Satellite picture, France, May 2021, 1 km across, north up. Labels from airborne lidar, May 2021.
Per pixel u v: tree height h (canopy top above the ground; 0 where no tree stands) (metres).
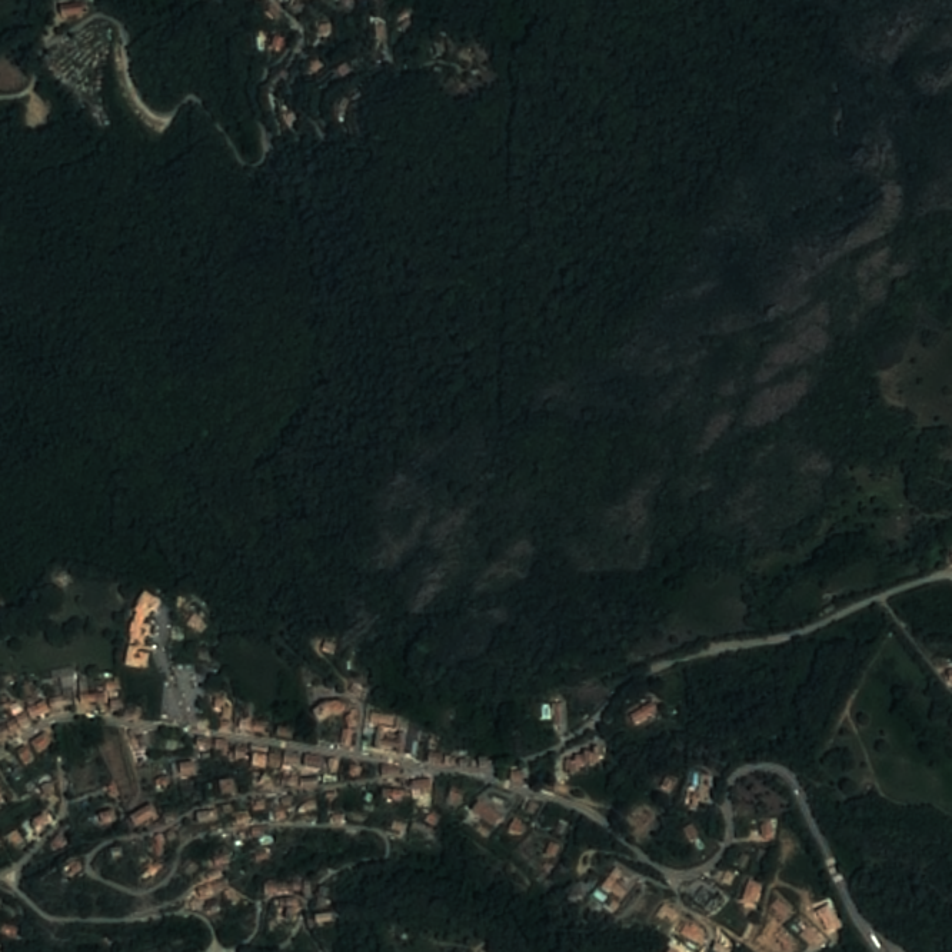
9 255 13
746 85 10
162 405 7
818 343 0
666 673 0
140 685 0
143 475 14
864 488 11
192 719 0
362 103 7
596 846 8
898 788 0
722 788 13
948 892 6
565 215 13
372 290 9
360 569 18
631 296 13
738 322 0
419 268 15
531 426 12
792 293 0
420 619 15
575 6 16
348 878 6
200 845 11
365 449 9
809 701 16
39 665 0
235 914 7
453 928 11
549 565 18
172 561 15
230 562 19
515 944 22
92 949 9
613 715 8
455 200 12
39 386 8
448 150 11
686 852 8
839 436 9
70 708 8
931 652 0
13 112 11
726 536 6
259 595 17
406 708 13
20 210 14
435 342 16
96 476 8
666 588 9
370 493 8
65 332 9
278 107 6
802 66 10
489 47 8
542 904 9
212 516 8
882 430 14
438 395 10
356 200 11
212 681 14
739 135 11
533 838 0
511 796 0
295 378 12
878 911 8
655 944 11
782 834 0
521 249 14
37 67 16
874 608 9
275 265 13
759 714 15
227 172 14
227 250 13
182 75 9
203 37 13
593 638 9
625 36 15
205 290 12
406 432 12
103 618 0
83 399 9
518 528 10
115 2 16
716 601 0
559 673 10
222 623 9
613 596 16
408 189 14
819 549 13
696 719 10
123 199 14
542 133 12
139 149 8
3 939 8
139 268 14
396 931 0
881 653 0
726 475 8
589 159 17
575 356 8
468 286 15
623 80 14
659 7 13
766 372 0
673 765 14
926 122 8
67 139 14
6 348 12
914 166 11
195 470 15
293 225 18
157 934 15
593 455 10
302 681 0
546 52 14
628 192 18
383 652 16
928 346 10
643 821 0
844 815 10
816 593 0
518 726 11
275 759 0
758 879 10
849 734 7
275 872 7
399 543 0
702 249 7
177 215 11
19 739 0
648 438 8
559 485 9
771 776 9
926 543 10
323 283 12
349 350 13
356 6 7
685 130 14
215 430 8
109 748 0
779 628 11
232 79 17
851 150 10
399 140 12
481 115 13
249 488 21
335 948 6
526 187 16
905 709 18
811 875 0
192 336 12
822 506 6
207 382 10
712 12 13
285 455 15
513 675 7
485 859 13
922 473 10
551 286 14
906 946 8
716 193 12
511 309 13
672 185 13
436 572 0
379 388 12
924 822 9
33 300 11
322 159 10
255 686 0
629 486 9
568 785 0
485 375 14
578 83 16
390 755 0
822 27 11
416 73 13
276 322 12
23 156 15
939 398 0
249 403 9
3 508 6
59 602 11
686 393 0
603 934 9
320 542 20
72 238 12
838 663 15
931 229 9
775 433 6
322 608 16
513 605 6
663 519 10
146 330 10
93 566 12
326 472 12
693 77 14
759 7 13
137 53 13
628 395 7
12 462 9
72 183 13
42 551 7
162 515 12
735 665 11
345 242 10
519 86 15
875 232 0
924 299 16
